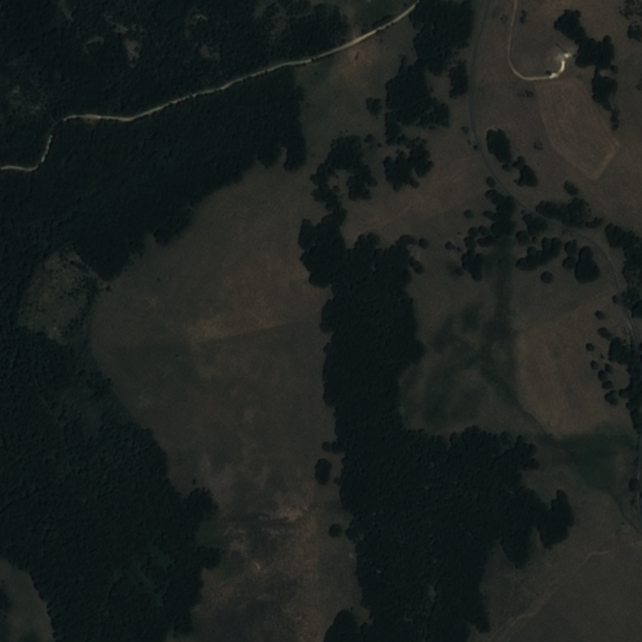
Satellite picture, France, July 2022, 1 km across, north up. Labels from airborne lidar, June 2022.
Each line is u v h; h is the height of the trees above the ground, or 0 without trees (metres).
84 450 10
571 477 0
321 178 11
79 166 10
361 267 12
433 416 0
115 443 8
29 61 8
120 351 0
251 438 0
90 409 0
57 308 0
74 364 6
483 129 0
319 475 10
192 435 0
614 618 0
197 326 0
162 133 17
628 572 0
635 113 0
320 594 0
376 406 12
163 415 0
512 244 0
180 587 12
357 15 0
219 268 0
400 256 12
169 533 10
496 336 0
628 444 0
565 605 0
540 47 0
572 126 0
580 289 0
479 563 11
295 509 0
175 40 8
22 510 16
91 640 12
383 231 0
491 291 0
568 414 0
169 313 0
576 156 0
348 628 12
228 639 0
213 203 0
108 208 11
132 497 10
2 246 15
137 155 15
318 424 0
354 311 13
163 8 18
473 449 11
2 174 15
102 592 9
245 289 0
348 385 12
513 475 10
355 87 0
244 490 0
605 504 0
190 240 0
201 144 11
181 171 15
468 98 0
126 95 8
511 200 12
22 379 17
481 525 11
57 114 17
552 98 0
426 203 0
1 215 9
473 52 0
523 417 0
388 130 9
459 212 0
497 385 0
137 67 7
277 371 0
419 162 11
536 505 11
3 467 13
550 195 0
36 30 13
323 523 0
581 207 6
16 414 14
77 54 12
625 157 0
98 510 10
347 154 7
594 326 0
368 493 10
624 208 0
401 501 11
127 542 11
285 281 0
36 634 0
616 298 9
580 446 0
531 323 0
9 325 11
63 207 11
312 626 0
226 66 9
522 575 0
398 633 9
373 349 10
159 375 0
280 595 0
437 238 0
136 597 7
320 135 0
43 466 13
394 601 9
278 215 0
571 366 0
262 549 0
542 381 0
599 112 0
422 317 0
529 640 0
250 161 9
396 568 9
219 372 0
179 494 7
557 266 0
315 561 0
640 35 5
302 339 0
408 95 9
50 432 11
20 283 12
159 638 10
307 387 0
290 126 12
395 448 11
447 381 0
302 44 7
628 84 0
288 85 8
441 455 12
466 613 11
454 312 0
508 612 0
